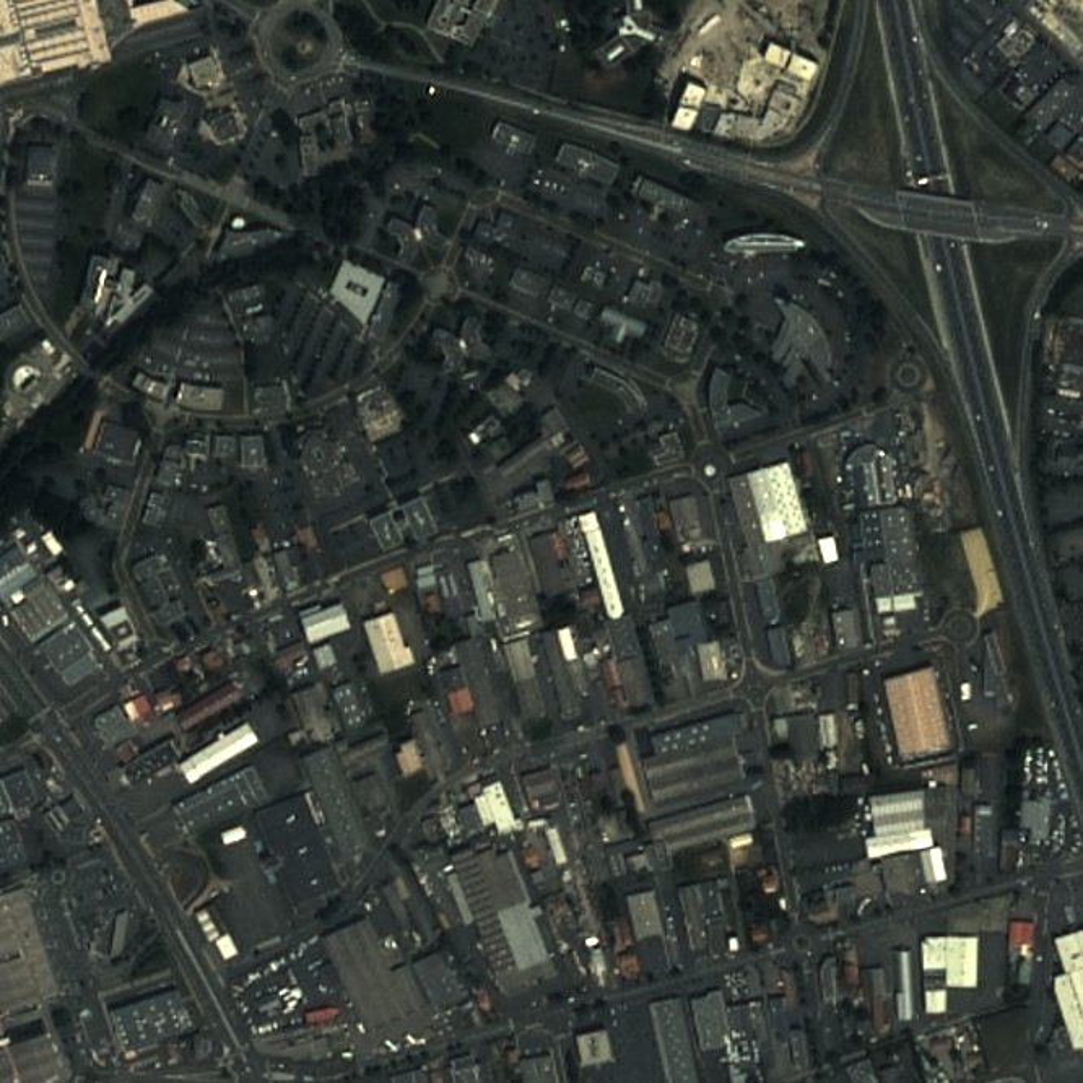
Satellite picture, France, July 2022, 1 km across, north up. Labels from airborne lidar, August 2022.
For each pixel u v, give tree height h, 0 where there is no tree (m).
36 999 0
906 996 0
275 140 0
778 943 0
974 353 0
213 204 0
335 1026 0
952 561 0
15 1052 0
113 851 0
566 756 0
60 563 12
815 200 0
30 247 0
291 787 0
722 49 0
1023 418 0
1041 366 9
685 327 0
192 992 0
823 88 0
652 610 0
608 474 0
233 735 0
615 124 0
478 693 0
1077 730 0
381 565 0
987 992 0
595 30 17
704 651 0
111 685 0
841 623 0
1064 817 0
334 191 16
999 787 0
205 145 0
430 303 0
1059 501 0
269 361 0
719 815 0
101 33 0
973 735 0
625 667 0
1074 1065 0
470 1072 0
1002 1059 0
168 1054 0
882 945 0
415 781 0
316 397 0
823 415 7
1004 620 0
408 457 8
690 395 0
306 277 0
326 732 0
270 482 0
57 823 0
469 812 0
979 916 0
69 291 0
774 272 0
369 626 0
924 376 0
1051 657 0
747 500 0
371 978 0
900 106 0
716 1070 0
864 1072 0
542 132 0
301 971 0
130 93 0
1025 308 0
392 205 7
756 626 0
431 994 0
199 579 0
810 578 0
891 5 0
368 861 0
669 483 0
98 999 0
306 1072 0
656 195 0
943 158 0
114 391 0
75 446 0
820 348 0
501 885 0
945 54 0
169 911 0
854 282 9
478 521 0
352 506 0
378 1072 9
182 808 0
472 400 9
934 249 0
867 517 0
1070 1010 0
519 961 0
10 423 0
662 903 0
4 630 0
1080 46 0
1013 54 0
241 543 0
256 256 10
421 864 0
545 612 7
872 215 0
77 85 0
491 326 15
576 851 0
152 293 7
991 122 0
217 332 0
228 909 0
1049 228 0
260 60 0
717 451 0
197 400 0
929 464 0
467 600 0
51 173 0
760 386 11
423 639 0
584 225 11
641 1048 0
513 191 0
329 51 0
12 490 26
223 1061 0
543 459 0
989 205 0
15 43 0
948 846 0
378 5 0
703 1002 0
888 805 0
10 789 0
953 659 0
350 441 0
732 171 0
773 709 0
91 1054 0
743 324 13
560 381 0
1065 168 0
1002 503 0
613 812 9
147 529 0
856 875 0
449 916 0
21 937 0
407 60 0
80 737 0
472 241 13
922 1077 9
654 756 0
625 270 0
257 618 0
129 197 7
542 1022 0
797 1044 0
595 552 0
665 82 0
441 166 0
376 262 11
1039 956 0
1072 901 0
